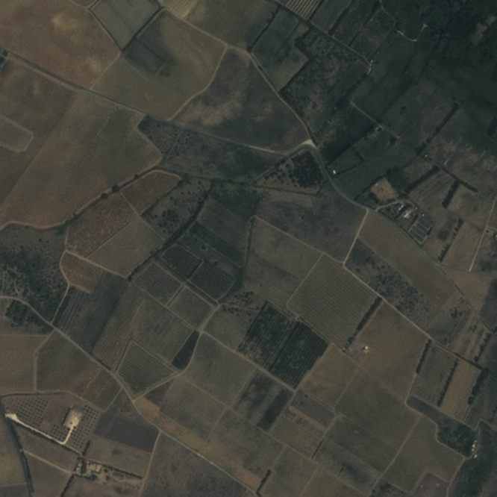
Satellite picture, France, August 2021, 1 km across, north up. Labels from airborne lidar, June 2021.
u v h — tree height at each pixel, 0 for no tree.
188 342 0
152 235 0
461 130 0
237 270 0
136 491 0
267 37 0
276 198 0
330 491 0
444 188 0
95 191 0
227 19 0
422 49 0
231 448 0
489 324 0
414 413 0
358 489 0
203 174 0
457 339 0
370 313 7
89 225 0
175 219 7
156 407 0
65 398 0
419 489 0
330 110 0
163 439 0
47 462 0
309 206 0
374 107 0
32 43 0
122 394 0
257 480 0
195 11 0
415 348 0
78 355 0
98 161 0
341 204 0
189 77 0
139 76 0
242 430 0
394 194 0
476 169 0
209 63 0
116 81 0
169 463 0
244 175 0
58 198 0
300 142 0
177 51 0
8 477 0
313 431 0
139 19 0
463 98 0
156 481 0
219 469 0
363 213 0
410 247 0
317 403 0
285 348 7
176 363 0
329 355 0
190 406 0
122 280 0
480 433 0
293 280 0
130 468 0
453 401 0
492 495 0
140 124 0
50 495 0
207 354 0
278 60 0
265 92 0
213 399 0
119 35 0
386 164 0
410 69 7
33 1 0
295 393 0
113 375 0
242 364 0
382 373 0
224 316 0
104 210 0
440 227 0
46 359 0
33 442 0
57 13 0
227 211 0
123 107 0
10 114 0
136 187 0
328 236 0
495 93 0
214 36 0
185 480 0
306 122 0
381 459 0
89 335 0
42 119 0
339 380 0
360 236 0
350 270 0
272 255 0
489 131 8
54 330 0
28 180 0
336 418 0
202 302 0
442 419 0
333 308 0
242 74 0
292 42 0
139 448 0
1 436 0
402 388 0
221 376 0
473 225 0
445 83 0
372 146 0
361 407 0
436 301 0
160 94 0
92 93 0
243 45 0
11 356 0
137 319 0
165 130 0
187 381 0
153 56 0
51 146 0
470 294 0
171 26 0
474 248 0
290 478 0
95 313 0
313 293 0
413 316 0
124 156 0
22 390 0
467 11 10
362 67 0
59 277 0
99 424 0
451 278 0
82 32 0
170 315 0
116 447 0
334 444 0
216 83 0
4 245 0
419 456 0
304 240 0
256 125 0
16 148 0
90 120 0
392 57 0
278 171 7
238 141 0
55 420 0
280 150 0
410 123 0
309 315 0
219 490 0
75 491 0
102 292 0
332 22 0
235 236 0
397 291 0
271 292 0
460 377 0
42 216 0
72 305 0
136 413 0
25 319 9
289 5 0
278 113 0
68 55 0
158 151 0
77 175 0
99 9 0
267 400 0
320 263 0
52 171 0
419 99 0
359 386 0
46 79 0
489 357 0
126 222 0
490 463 0
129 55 0
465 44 6
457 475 0
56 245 0
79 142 0
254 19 0
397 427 0
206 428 0
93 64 0
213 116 0
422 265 0
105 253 0
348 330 0
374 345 0
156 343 0
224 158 0
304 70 10
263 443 0
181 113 0
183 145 0
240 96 0
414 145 0
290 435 0
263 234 0
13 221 0
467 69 0
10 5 0
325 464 0
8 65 0
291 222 0
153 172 0
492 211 0
